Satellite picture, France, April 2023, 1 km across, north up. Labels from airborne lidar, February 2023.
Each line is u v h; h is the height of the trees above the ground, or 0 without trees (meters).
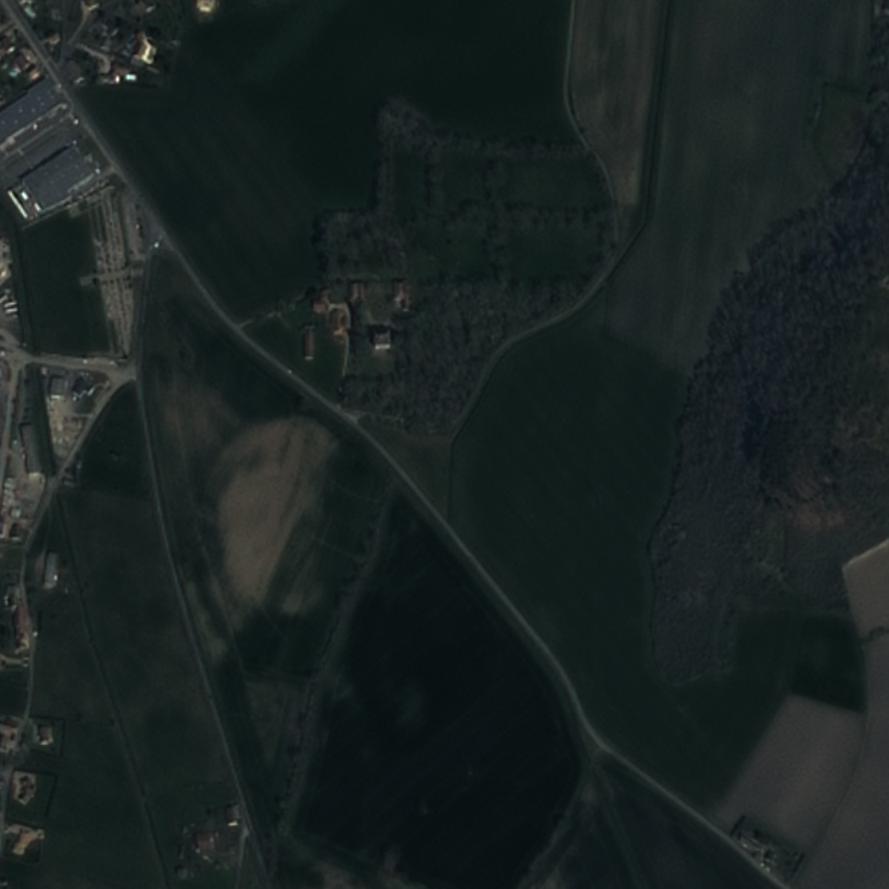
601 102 0
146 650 0
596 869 0
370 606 0
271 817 0
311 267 0
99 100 0
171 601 0
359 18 0
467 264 0
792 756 0
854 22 0
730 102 0
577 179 0
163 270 0
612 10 0
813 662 0
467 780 0
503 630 0
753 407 9
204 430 0
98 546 0
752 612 0
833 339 13
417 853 0
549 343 0
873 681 0
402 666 0
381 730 0
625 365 0
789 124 0
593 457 0
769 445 18
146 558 0
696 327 0
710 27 0
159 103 0
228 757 0
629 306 0
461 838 0
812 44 0
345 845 0
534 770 0
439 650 0
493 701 0
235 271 0
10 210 0
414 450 0
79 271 0
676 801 0
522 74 0
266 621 0
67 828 0
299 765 17
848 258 9
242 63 0
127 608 0
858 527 10
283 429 0
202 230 0
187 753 0
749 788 0
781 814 0
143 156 0
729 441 9
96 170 0
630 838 0
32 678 0
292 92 0
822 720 0
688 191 0
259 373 0
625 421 0
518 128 0
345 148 0
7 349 0
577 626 0
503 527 0
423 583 0
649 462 0
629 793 0
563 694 0
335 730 0
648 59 0
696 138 0
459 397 17
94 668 0
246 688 0
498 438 0
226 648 0
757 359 21
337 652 0
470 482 0
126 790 0
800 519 11
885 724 0
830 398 12
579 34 0
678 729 0
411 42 0
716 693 0
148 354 0
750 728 0
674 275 0
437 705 0
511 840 0
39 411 0
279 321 0
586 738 0
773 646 0
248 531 0
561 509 0
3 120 0
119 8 7
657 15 0
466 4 0
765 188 0
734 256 0
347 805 0
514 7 0
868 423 10
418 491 0
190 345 0
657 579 9
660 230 0
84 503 0
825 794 0
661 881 0
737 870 0
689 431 14
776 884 0
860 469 8
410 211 0
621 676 0
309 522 0
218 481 0
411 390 21
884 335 0
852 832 0
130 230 0
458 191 0
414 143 19
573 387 0
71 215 0
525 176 0
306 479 0
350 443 0
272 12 0
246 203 0
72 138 0
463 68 0
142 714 0
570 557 0
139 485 0
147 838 0
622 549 0
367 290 8
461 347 24
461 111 0
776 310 21
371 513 0
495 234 16
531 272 0
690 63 0
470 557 0
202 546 0
